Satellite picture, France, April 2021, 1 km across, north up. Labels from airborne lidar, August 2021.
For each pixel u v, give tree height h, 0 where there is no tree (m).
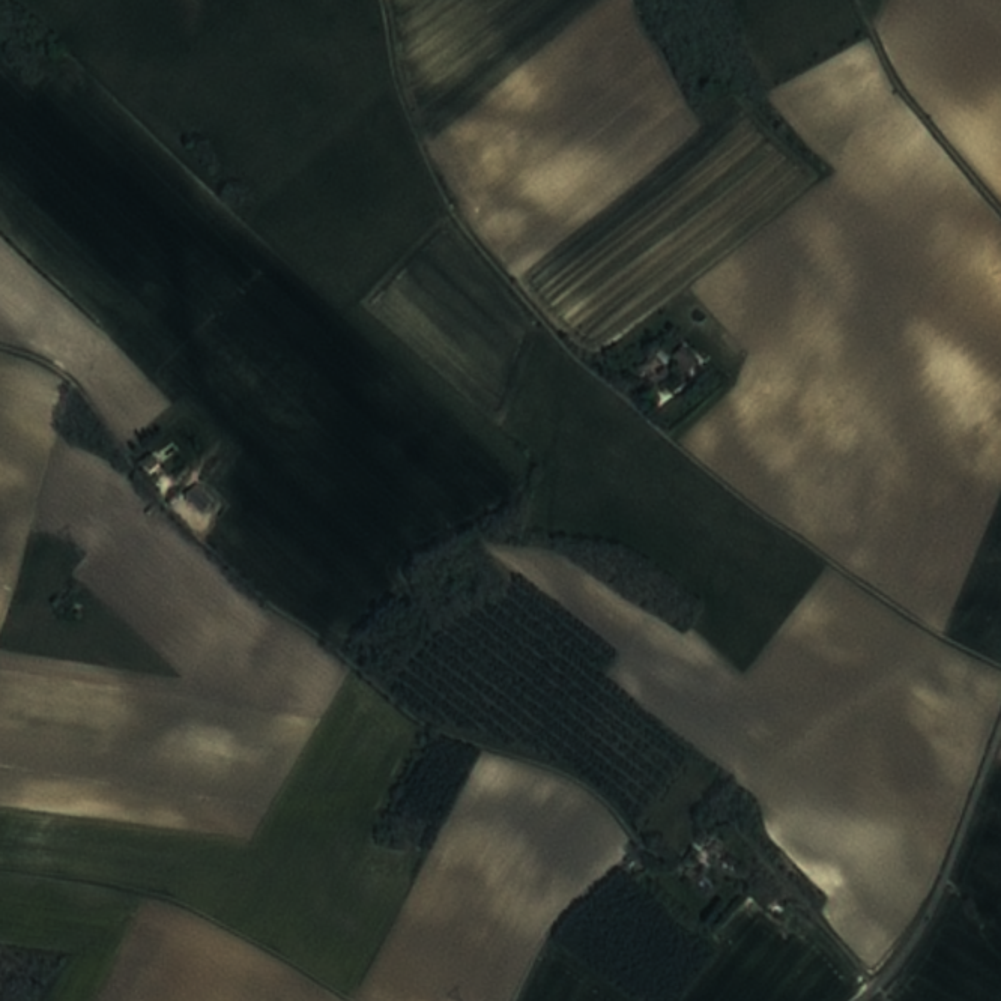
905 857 0
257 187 0
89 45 0
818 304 0
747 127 0
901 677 0
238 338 0
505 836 0
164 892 0
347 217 0
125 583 0
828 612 0
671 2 16
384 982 0
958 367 0
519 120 0
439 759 11
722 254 0
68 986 0
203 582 0
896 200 0
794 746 0
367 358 0
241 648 0
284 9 0
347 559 0
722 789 15
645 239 0
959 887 0
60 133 0
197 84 0
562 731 13
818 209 0
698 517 0
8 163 0
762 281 0
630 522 0
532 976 0
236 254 0
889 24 0
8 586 0
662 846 17
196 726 0
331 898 0
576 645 14
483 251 0
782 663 0
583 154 0
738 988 0
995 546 0
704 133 0
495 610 14
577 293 0
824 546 0
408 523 0
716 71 23
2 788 0
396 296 0
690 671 0
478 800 0
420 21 0
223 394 0
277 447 0
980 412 0
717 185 0
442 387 0
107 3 0
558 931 11
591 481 0
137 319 0
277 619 0
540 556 0
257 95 0
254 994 0
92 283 0
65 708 0
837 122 0
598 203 0
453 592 17
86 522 0
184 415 0
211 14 0
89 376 0
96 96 0
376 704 0
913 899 0
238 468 0
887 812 0
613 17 0
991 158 0
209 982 0
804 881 10
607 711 9
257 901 0
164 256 0
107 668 0
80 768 0
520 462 0
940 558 0
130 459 12
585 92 0
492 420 0
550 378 0
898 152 0
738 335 0
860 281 0
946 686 0
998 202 0
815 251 0
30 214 0
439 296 0
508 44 0
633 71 0
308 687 0
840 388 0
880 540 0
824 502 0
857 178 0
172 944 0
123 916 0
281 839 0
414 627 17
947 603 0
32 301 0
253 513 0
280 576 0
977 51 0
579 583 0
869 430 0
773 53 0
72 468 0
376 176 0
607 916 13
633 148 0
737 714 0
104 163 0
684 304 0
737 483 0
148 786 0
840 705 0
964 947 0
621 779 11
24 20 14
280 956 0
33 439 0
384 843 6
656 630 0
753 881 12
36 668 0
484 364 0
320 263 0
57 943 0
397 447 0
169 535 0
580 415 0
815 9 0
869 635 0
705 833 12
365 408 0
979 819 0
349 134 0
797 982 0
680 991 11
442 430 0
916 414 0
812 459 0
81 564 0
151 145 0
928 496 0
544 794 0
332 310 0
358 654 15
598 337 0
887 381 0
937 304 0
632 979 11
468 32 0
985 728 0
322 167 0
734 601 0
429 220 0
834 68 0
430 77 0
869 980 0
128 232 0
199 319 0
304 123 0
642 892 13
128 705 0
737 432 0
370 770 0
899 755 0
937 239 0
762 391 0
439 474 0
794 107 0
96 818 0
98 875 0
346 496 0
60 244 0
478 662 11
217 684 0
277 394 0
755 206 0
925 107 0
